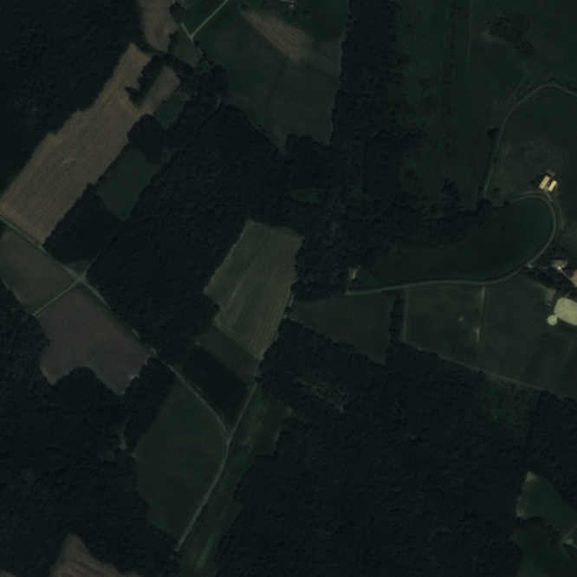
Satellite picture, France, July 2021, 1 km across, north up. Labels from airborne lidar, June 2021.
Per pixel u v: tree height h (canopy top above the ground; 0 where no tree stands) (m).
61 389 24
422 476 18
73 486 26
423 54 0
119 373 0
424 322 0
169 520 0
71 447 21
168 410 0
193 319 18
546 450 15
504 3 0
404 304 18
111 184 0
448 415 23
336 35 0
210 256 19
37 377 21
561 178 0
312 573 21
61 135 0
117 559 13
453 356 0
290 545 21
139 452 0
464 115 0
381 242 20
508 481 19
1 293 16
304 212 16
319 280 11
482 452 14
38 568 18
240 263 0
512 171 0
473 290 0
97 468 21
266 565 27
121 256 16
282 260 0
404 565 21
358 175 6
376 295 0
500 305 0
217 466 0
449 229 16
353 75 21
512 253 0
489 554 17
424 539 20
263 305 0
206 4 0
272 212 13
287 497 22
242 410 0
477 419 8
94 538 11
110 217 16
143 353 0
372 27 20
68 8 24
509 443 7
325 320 0
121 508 18
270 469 17
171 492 0
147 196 19
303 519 23
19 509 20
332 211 17
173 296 19
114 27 24
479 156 0
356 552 23
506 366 0
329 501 30
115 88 0
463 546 26
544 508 0
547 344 0
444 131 0
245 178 18
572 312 0
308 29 0
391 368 17
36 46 26
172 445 0
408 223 16
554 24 0
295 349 13
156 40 0
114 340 0
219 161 18
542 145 0
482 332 0
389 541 24
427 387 16
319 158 16
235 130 26
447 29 0
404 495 27
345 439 16
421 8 0
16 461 14
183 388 0
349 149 13
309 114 0
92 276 12
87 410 23
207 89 17
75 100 17
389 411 22
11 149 10
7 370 17
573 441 22
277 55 0
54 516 21
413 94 0
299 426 21
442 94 0
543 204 0
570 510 0
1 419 17
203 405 0
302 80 0
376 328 0
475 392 11
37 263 0
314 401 16
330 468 29
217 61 0
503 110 0
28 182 0
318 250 15
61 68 21
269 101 0
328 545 25
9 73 21
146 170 0
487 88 0
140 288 21
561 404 22
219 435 0
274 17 0
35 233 0
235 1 0
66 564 0
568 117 0
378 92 10
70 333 0
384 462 26
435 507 21
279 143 0
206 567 0
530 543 0
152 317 16
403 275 0
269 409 0
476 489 23
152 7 0
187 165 20
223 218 18
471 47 0
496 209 6
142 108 0
